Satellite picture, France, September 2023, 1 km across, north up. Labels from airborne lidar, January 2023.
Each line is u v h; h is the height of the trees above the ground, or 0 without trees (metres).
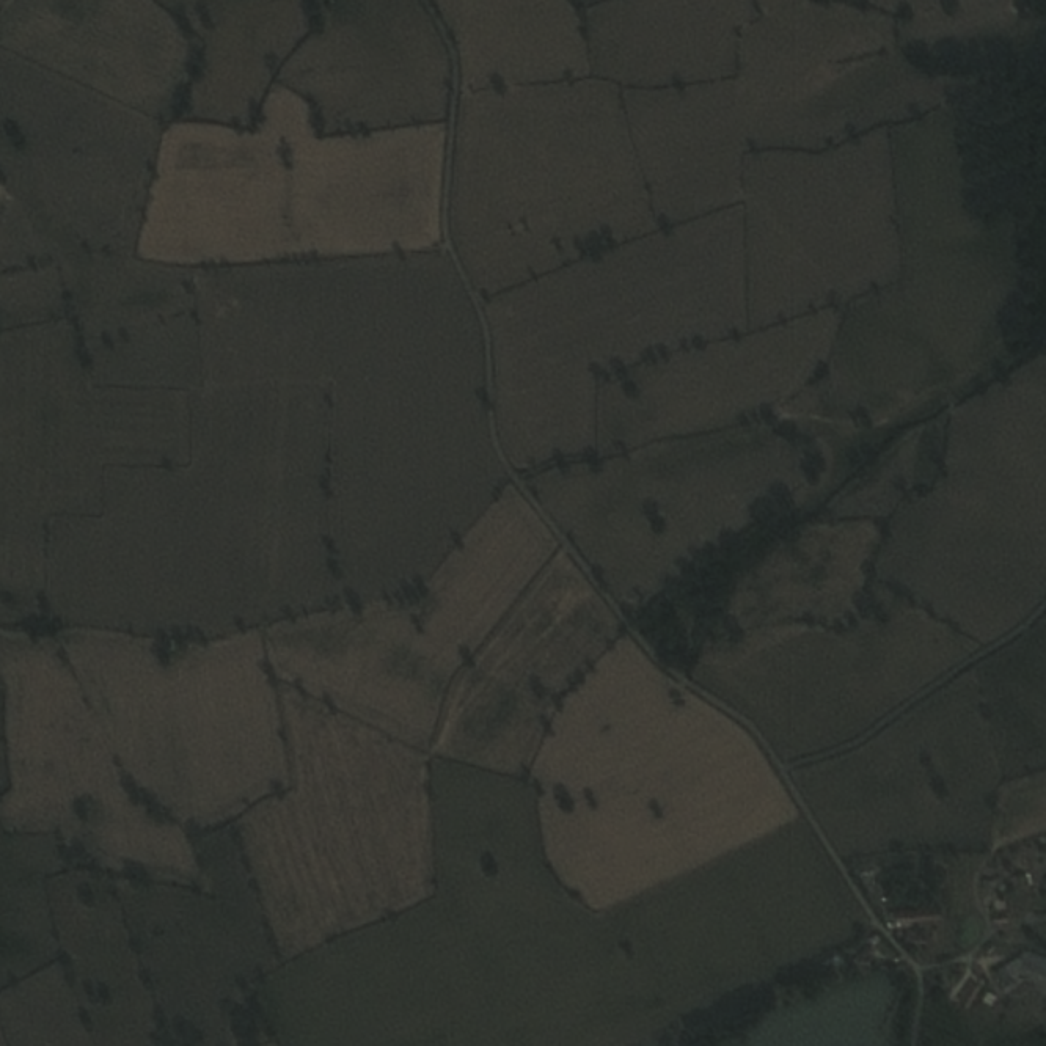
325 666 0
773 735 0
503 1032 0
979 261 0
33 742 0
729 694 0
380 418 0
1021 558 0
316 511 0
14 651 0
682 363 0
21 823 0
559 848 0
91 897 15
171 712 0
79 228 0
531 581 0
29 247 0
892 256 0
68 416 0
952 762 0
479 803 0
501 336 0
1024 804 0
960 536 0
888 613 11
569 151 0
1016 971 0
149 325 0
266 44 0
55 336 0
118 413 0
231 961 0
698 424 0
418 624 12
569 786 0
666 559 0
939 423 0
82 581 0
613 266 0
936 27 0
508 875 0
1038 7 19
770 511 19
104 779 0
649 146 0
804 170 0
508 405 0
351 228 0
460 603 0
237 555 0
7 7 0
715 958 0
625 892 0
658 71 0
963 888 0
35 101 0
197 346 0
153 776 0
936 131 0
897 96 0
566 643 0
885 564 0
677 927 0
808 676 0
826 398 0
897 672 0
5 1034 0
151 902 0
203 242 0
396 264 0
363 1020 0
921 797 0
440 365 0
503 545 0
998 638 0
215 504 0
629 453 16
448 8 0
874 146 0
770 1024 0
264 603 0
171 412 0
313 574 0
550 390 0
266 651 0
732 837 0
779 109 0
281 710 0
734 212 0
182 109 10
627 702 0
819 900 0
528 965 0
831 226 0
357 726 0
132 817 0
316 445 0
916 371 0
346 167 0
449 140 0
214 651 0
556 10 0
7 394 0
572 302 0
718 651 0
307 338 0
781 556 0
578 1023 0
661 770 0
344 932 8
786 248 0
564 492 0
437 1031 0
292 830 0
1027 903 0
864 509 0
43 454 0
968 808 0
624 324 0
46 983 0
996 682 0
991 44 0
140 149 0
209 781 0
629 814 0
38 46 0
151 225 0
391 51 0
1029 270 20
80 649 0
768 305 0
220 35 0
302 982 0
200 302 0
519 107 0
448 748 0
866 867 0
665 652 12
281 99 0
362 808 0
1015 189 25
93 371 0
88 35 0
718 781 0
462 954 0
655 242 0
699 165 0
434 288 0
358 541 0
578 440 0
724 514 0
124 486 0
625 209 0
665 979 0
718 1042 11
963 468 0
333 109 0
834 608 0
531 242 0
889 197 0
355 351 0
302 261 8
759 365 0
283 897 0
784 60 0
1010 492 0
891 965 11
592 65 0
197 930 0
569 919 0
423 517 0
